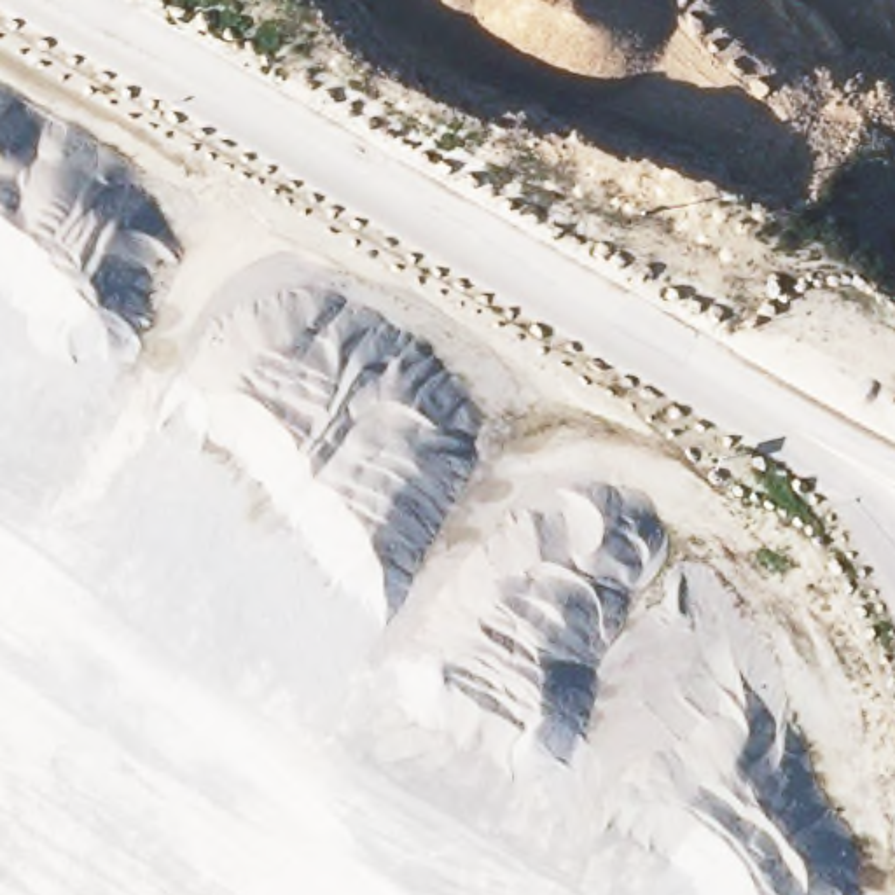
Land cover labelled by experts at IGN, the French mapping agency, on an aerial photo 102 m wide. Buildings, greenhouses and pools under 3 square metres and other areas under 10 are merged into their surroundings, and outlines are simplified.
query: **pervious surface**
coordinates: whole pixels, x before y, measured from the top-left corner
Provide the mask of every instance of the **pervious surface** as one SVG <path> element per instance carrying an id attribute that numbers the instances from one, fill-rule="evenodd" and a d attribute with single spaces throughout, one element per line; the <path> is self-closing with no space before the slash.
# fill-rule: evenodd
<path id="1" fill-rule="evenodd" d="M 304 21 L 304 28 L 315 31 L 315 52 L 297 56 L 283 45 L 269 56 L 259 56 L 252 45 L 234 45 L 231 31 L 220 31 L 213 38 L 203 17 L 185 21 L 182 7 L 164 7 L 168 0 L 0 0 L 0 895 L 895 895 L 895 0 L 301 0 L 301 7 L 318 7 L 315 21 Z M 801 517 L 776 510 L 769 503 L 769 489 L 762 486 L 759 472 L 773 458 L 794 468 L 790 489 L 801 500 L 808 500 L 815 514 L 825 517 L 832 531 L 832 542 L 825 549 Z"/>

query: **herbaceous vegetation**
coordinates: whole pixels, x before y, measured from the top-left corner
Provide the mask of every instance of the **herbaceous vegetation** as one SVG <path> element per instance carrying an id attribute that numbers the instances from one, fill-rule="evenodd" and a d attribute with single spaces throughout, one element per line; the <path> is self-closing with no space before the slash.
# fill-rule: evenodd
<path id="1" fill-rule="evenodd" d="M 231 31 L 234 45 L 252 45 L 259 56 L 269 56 L 283 45 L 297 56 L 315 52 L 315 31 L 304 28 L 304 21 L 315 21 L 318 7 L 301 7 L 301 0 L 168 0 L 164 7 L 182 7 L 185 21 L 203 17 L 213 38 L 220 31 Z"/>
<path id="2" fill-rule="evenodd" d="M 769 503 L 776 510 L 801 517 L 825 549 L 832 542 L 832 531 L 825 517 L 815 514 L 808 500 L 801 500 L 790 489 L 794 468 L 773 458 L 759 472 L 762 486 L 769 489 Z"/>

